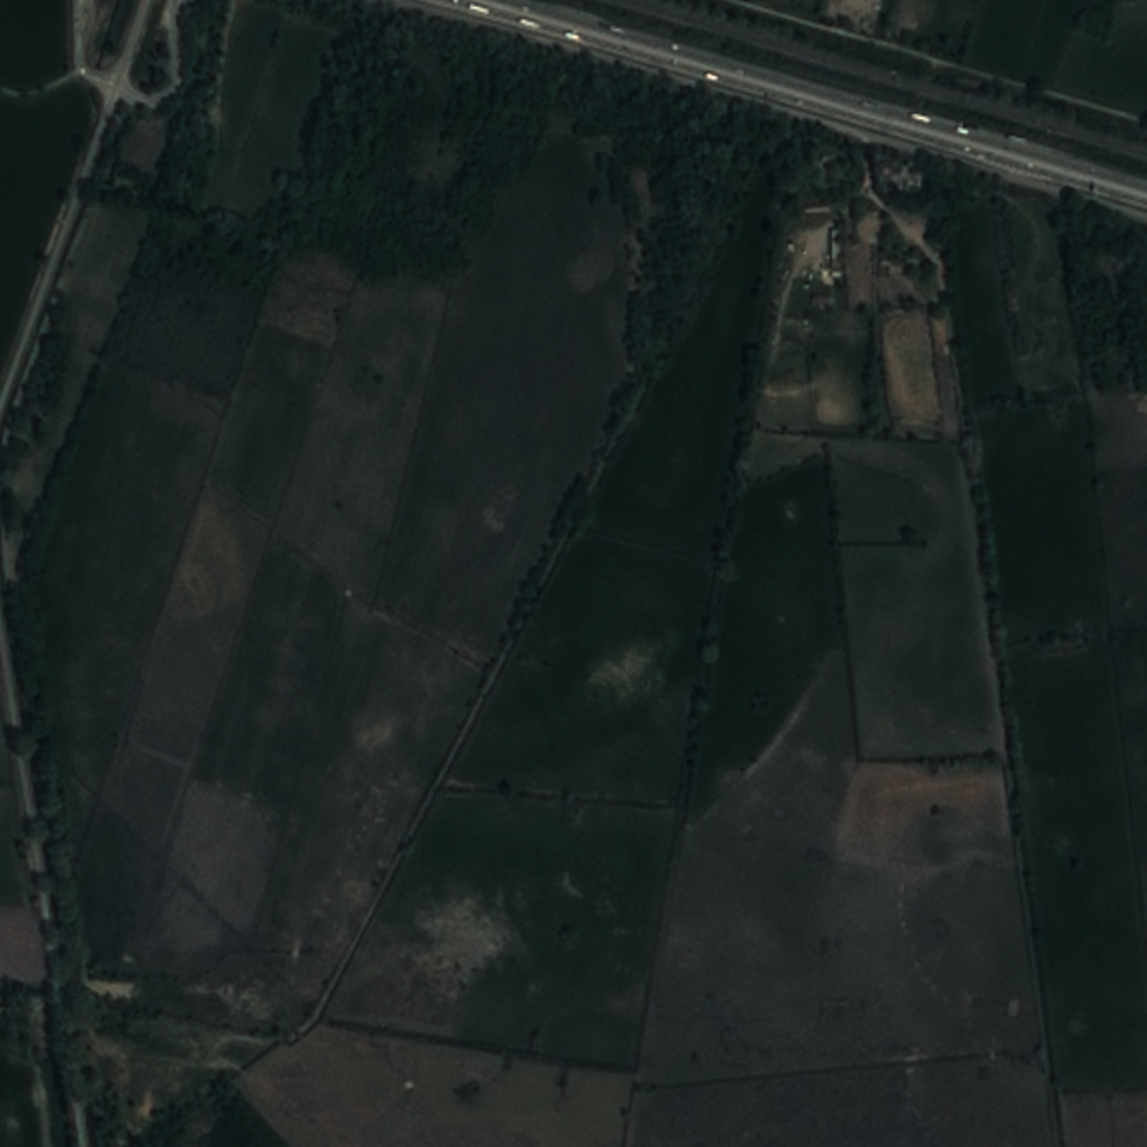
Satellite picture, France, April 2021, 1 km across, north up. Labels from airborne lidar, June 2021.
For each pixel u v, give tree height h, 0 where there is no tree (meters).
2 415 0
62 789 11
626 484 0
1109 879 0
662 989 0
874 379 13
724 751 0
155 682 0
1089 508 0
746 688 0
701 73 0
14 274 0
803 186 20
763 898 0
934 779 0
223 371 0
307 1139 0
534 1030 0
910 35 9
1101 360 7
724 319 0
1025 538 0
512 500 0
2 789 0
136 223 0
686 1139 0
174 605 0
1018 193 7
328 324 0
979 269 0
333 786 0
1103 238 14
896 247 9
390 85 22
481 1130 0
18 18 0
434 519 0
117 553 0
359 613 0
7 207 0
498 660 8
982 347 0
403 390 0
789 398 0
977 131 0
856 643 0
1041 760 0
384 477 0
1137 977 0
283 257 9
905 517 0
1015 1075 0
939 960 0
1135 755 0
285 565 0
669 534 0
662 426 0
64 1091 14
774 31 18
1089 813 0
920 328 0
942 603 0
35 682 9
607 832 0
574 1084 0
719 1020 0
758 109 11
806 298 0
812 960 0
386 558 0
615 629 0
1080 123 15
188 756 0
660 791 0
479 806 0
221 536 0
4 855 0
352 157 15
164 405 0
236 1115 12
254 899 0
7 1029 11
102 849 0
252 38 0
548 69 12
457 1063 0
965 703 0
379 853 0
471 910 0
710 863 0
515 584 0
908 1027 0
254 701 0
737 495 17
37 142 0
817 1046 0
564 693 0
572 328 0
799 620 0
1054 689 0
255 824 0
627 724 0
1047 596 0
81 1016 25
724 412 0
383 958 0
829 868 0
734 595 0
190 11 8
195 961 0
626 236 0
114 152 8
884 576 0
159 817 0
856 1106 0
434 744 0
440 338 0
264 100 0
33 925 0
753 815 0
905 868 0
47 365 11
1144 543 0
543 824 0
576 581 0
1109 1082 0
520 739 0
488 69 7
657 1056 0
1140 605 0
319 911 0
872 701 0
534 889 0
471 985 0
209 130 12
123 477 0
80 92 0
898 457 0
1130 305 21
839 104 0
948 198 14
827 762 0
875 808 0
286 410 0
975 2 0
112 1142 11
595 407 0
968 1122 0
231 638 0
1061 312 0
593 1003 0
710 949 0
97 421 0
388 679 0
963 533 0
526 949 0
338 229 9
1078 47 0
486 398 0
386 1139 0
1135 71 0
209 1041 0
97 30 0
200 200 13
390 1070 0
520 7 0
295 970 0
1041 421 0
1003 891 0
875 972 0
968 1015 0
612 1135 0
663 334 15
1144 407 0
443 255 9
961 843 0
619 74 9
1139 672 0
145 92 11
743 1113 0
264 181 0
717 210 17
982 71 0
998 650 8
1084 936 0
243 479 0
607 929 0
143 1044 0
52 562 0
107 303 0
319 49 0
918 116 0
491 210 9
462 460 0
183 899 0
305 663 0
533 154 9
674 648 0
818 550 0
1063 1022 0
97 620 0
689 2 19
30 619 16
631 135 13
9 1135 0
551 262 0
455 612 0
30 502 0
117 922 0
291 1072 0
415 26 14
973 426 8
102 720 0
